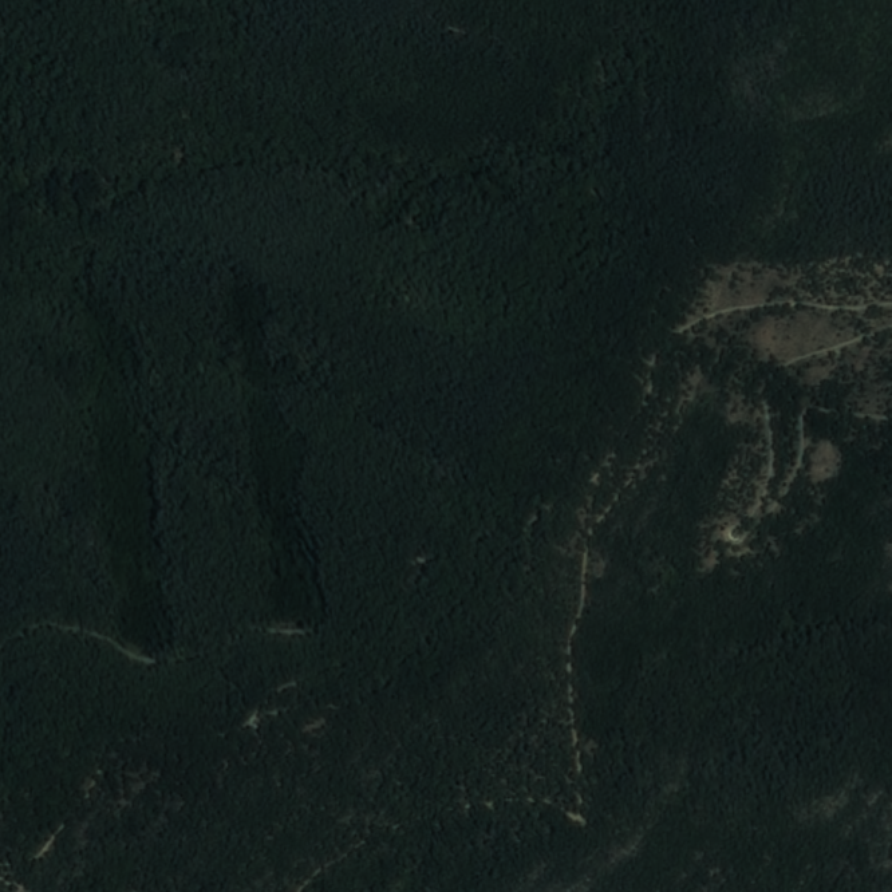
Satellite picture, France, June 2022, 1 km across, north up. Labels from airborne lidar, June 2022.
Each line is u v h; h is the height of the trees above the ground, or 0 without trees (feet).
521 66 37
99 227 42
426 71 45
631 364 36
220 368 58
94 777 37
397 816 47
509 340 56
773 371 46
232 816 25
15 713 33
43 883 23
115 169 40
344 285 52
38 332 39
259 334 22
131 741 31
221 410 46
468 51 39
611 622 22
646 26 77
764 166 48
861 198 56
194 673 47
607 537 23
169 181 64
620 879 24
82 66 44
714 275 22
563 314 66
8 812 33
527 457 52
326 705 40
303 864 22
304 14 52
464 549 61
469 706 35
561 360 51
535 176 71
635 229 73
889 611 28
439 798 43
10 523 50
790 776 47
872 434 41
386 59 49
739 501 27
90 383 23
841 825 22
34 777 45
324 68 43
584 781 23
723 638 32
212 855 26
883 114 44
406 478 61
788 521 37
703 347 26
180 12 43
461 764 45
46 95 33
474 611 47
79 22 38
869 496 23
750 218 30
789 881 26
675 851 23
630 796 38
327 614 59
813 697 65
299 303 56
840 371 19
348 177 58
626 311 45
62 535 52
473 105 29
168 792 32
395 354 56
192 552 49
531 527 32
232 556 58
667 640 36
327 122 36
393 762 40
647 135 48
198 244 39
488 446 53
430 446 67
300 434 51
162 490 66
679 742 25
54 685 43
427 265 44
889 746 23
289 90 45
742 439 28
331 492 50
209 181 56
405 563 64
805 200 20
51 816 47
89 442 77
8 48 36
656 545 48
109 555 55
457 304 43
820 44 25
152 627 29
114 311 56
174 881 26
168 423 63
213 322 70
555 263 49
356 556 70
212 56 49
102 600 60
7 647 33
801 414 38
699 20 45
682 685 57
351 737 43
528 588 49
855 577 28
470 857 27
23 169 53
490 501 51
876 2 28
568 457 50
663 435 26
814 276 28
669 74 48
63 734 47
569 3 49
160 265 51
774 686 62
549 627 29
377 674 61
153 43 43
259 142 45
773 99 24
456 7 51
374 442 52
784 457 34
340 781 29
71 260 35
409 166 53
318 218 39
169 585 40
